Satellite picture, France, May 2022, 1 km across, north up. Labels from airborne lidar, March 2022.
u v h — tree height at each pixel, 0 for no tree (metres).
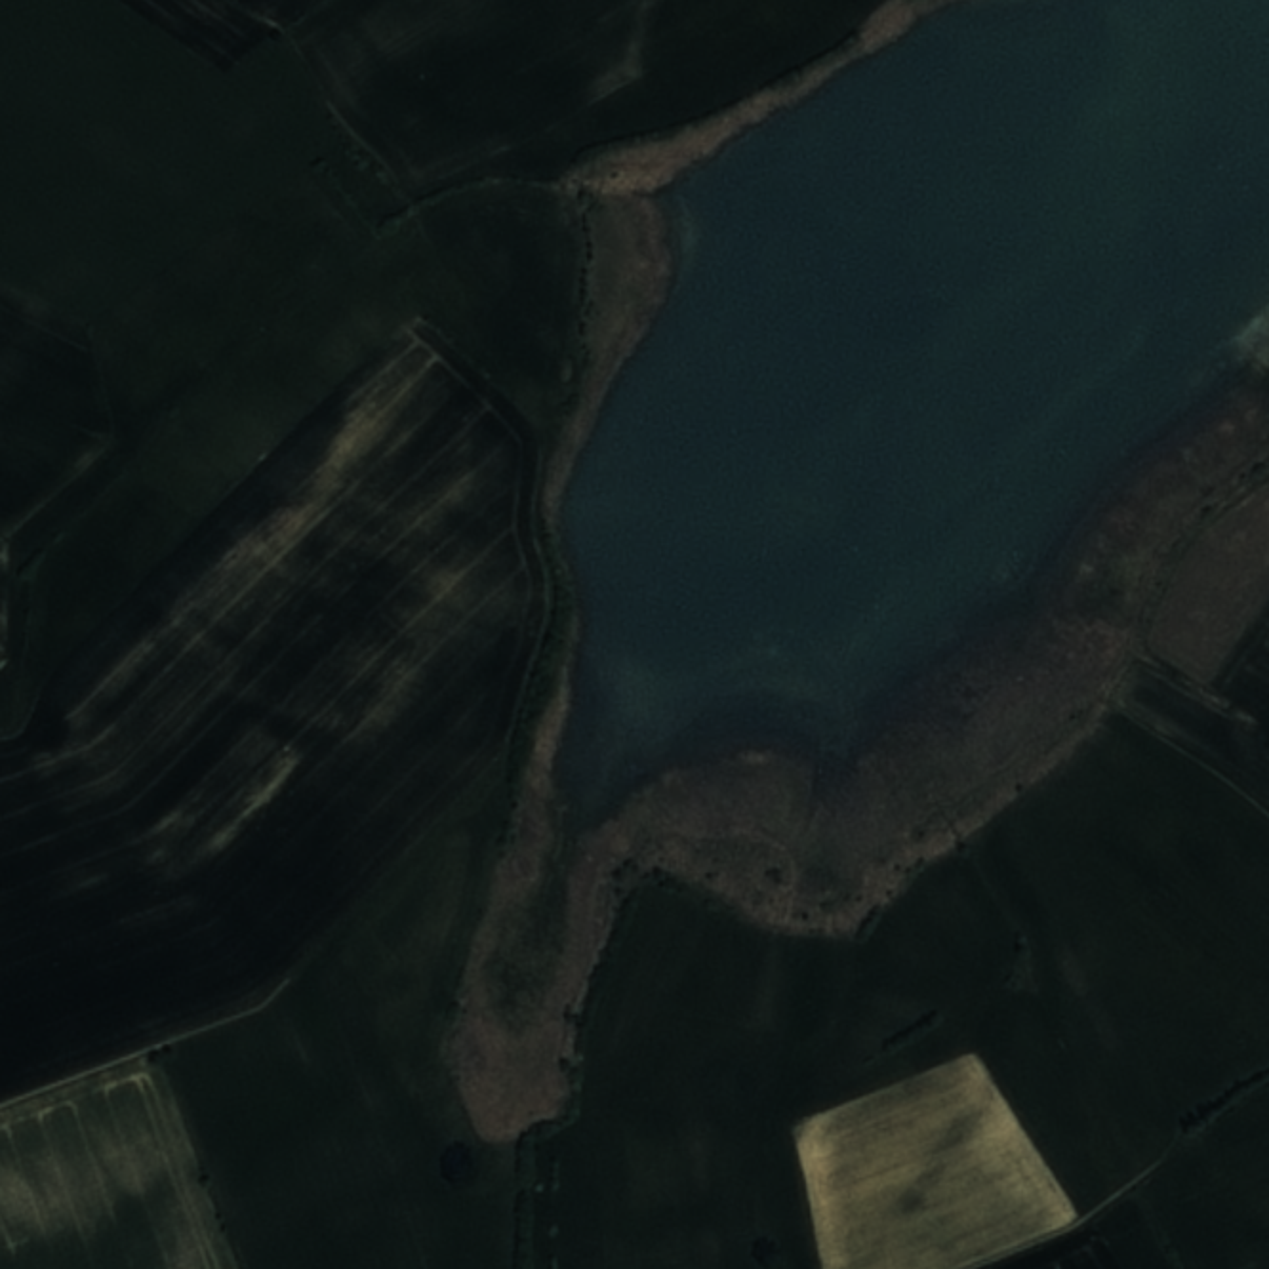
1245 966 0
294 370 0
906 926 0
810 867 0
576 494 0
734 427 0
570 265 0
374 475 0
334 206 0
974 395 0
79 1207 0
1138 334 0
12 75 0
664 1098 0
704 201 0
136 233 0
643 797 0
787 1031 0
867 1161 0
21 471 0
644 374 0
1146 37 0
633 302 0
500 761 0
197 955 0
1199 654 0
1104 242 0
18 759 0
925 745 0
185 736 0
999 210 0
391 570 0
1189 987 0
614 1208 0
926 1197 0
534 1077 0
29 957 0
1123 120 0
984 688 0
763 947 0
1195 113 0
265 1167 0
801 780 0
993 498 0
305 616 0
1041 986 0
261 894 0
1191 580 0
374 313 0
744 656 0
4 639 0
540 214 0
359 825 0
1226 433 0
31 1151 0
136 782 0
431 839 0
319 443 0
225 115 0
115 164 0
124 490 0
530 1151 7
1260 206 0
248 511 0
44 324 0
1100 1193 0
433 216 0
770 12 0
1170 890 0
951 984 0
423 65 0
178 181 0
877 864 0
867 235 0
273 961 0
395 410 0
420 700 0
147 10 0
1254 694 0
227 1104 0
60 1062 0
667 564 0
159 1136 0
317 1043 0
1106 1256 0
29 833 0
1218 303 0
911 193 0
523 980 0
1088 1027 0
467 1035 0
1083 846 0
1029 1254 0
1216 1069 0
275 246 0
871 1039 0
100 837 0
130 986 0
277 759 0
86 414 0
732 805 0
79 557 0
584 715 0
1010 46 0
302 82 0
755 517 0
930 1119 0
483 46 0
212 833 0
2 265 0
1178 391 0
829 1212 0
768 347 0
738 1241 0
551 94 0
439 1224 0
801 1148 0
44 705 0
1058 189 0
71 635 0
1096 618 0
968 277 0
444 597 0
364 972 0
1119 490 0
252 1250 0
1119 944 0
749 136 0
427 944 0
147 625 0
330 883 0
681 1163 0
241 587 0
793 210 0
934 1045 0
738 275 0
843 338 0
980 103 0
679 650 0
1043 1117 0
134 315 0
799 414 0
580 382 0
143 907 0
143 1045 0
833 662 0
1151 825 0
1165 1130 0
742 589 0
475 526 0
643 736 0
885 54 0
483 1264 0
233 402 0
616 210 0
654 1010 0
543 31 0
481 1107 0
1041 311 0
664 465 0
